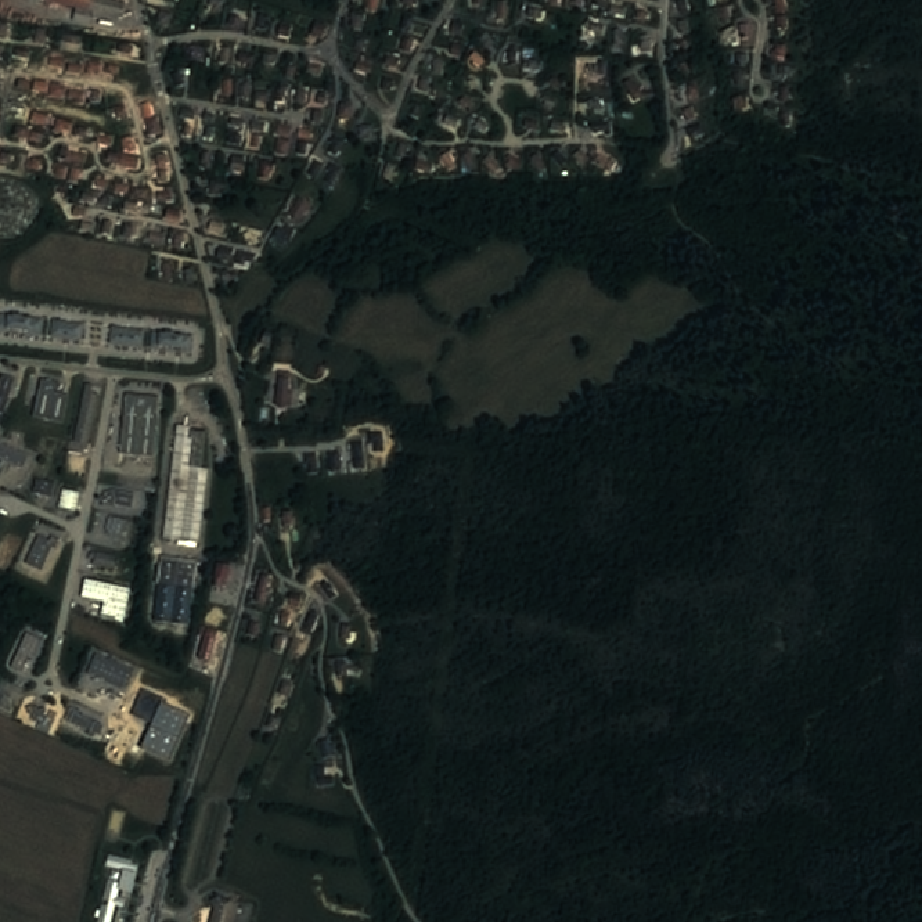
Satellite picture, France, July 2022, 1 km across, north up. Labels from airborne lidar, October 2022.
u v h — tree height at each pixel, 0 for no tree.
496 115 8
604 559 10
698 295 13
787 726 9
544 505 7
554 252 14
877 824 9
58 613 0
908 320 8
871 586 8
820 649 6
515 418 0
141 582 13
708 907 6
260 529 0
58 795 0
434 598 10
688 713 8
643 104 0
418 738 7
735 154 11
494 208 15
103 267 0
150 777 0
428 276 6
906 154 8
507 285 0
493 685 8
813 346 11
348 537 8
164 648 6
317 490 0
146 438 0
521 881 6
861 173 17
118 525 0
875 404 13
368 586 11
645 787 8
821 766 12
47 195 0
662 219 7
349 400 6
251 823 0
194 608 10
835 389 10
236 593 0
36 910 0
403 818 6
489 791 8
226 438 0
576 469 15
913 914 25
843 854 18
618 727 7
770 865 11
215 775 0
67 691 0
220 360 0
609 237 9
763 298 6
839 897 17
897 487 8
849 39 7
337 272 12
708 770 20
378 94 0
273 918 0
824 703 9
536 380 0
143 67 0
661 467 10
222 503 0
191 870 0
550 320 0
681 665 9
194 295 0
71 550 0
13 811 0
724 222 9
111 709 0
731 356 21
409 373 0
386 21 14
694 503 10
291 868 0
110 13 0
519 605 7
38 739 0
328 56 0
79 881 0
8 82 0
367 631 0
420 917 5
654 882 7
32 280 0
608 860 9
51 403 0
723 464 12
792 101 6
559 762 11
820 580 7
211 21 8
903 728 9
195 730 9
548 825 8
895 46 8
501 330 0
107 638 0
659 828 11
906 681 12
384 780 8
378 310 0
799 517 6
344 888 0
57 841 0
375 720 7
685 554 12
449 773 6
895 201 7
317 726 0
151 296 0
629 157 14
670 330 0
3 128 0
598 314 0
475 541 10
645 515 9
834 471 8
